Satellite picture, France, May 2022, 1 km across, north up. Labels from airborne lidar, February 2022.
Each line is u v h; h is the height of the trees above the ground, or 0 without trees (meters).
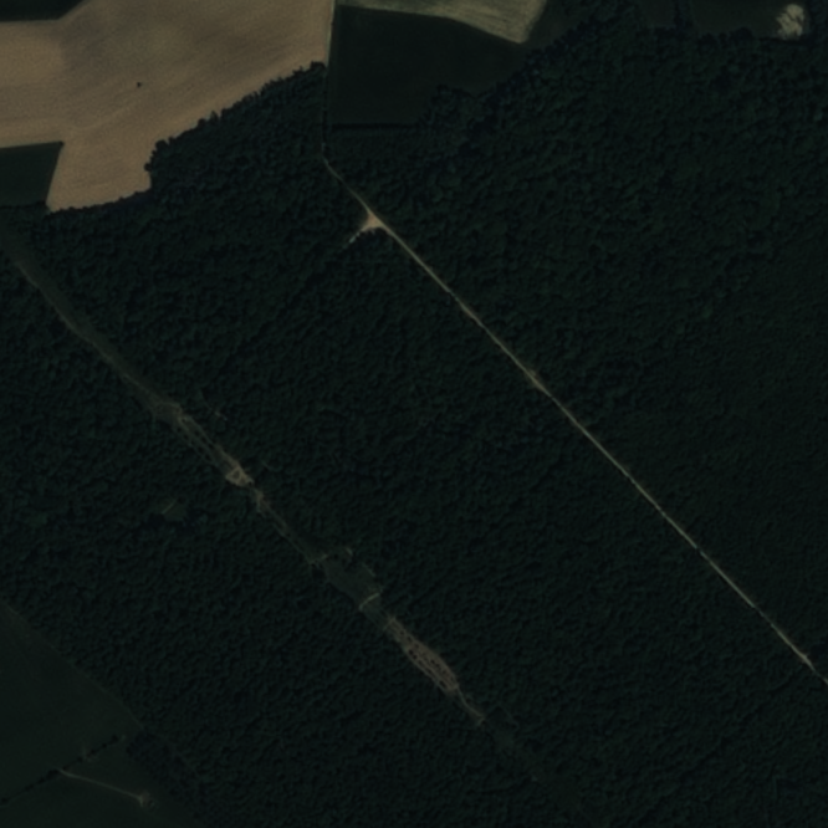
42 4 0
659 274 27
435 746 25
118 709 0
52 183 0
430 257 23
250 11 0
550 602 22
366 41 0
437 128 24
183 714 23
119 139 0
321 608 20
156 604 20
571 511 24
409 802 25
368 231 0
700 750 24
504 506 23
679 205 33
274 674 25
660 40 23
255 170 25
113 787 0
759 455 21
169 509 0
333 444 23
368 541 24
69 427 27
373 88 0
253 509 20
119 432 29
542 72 28
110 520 26
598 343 28
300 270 25
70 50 0
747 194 30
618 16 24
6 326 25
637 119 31
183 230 30
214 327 28
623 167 28
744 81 29
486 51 0
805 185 29
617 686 27
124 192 0
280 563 23
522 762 6
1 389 33
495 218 29
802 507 21
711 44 21
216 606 18
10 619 0
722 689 25
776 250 21
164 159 12
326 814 19
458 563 25
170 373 28
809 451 17
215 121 17
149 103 0
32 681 0
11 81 0
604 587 27
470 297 27
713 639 22
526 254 32
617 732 29
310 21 0
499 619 27
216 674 25
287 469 24
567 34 0
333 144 15
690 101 30
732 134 30
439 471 23
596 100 29
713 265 27
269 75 0
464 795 24
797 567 20
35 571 28
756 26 0
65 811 0
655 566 26
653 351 25
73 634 23
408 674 27
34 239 23
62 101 0
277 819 23
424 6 0
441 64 0
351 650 26
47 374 29
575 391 24
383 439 21
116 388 27
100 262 29
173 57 0
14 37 0
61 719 0
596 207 31
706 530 19
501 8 0
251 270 29
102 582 28
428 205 31
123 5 0
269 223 26
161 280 29
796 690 22
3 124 0
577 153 16
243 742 22
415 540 23
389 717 25
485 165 28
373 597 0
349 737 28
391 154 13
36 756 0
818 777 21
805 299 20
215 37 0
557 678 24
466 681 19
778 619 18
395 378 23
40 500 32
